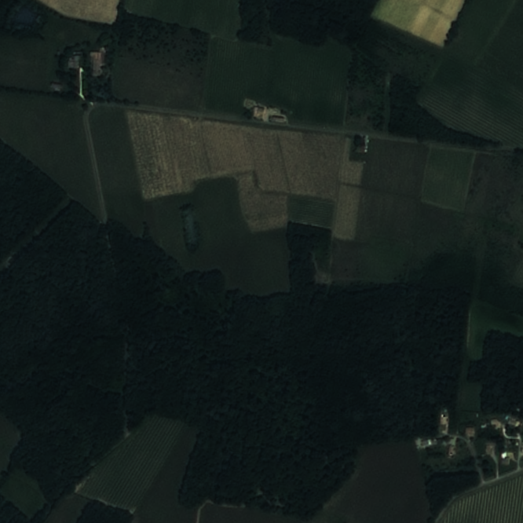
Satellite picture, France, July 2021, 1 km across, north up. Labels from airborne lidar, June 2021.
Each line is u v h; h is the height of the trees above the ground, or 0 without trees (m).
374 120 6
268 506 19
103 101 11
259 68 0
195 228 8
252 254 0
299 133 0
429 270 5
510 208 0
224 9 0
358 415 21
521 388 21
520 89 0
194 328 23
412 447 0
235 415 12
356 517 0
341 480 15
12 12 21
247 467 24
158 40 5
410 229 0
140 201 0
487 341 9
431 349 15
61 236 17
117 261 10
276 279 0
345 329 16
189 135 0
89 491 0
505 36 0
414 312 20
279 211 0
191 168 0
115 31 10
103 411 22
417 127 7
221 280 18
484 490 0
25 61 0
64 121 0
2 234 22
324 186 0
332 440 16
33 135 0
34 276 25
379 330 14
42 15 7
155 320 24
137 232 0
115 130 0
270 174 0
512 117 0
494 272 6
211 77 0
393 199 0
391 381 23
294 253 9
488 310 0
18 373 9
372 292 17
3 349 24
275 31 6
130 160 0
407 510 0
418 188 0
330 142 0
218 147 0
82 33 0
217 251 0
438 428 12
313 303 21
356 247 0
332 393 18
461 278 6
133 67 0
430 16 0
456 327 13
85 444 17
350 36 9
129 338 14
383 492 0
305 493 22
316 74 0
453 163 0
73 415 23
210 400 14
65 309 21
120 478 0
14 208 18
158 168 0
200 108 0
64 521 0
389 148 0
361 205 0
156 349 21
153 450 0
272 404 20
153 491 0
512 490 0
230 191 0
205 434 15
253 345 21
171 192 0
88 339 19
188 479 14
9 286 17
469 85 0
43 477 19
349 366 20
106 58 8
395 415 21
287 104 0
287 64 0
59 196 15
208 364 17
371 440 11
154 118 0
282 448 24
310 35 20
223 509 0
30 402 16
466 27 0
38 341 23
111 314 25
